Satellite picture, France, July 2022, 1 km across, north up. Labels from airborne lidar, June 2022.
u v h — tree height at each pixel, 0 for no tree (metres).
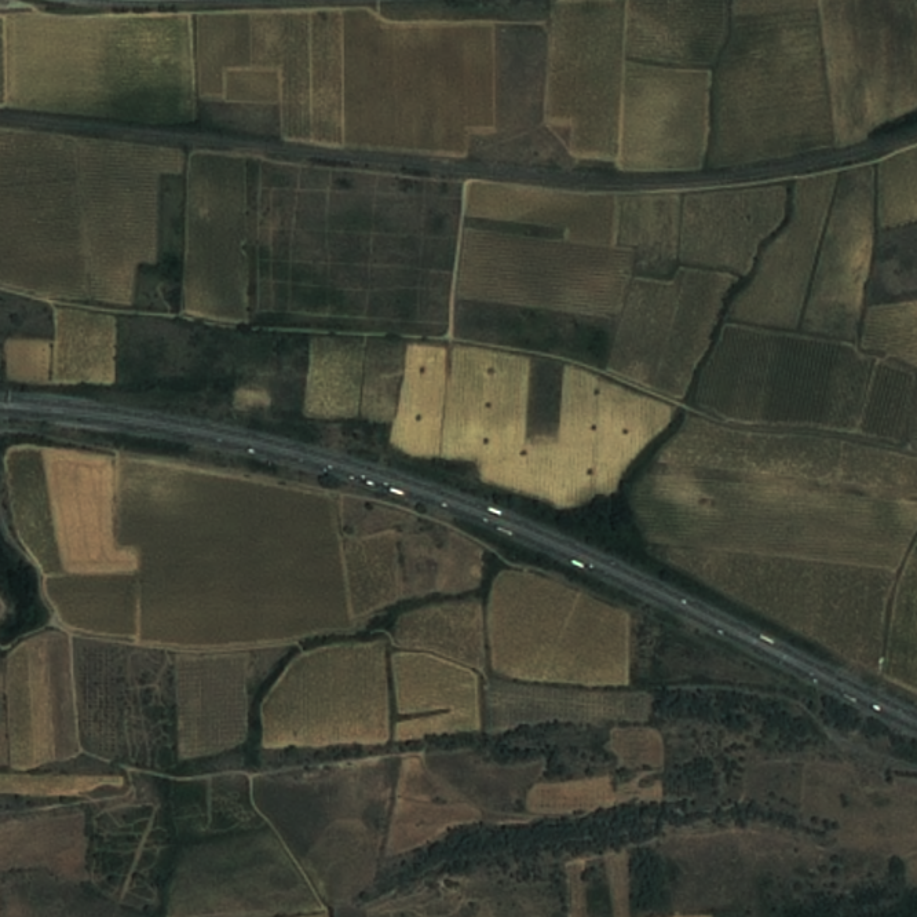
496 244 0
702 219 0
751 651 0
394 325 0
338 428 0
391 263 0
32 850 0
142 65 0
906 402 0
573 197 0
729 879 0
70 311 0
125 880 0
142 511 0
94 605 0
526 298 0
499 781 0
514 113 0
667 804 10
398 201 0
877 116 0
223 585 0
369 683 0
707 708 11
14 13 0
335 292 0
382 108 0
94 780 0
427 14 0
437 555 0
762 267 0
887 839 0
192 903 0
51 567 0
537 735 8
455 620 0
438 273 0
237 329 7
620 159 0
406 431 0
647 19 0
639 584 0
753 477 0
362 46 0
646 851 7
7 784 0
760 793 0
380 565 0
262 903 0
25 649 0
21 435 6
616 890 0
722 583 0
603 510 13
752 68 0
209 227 0
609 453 0
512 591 0
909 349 0
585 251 0
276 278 0
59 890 0
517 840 12
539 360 0
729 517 0
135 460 0
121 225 0
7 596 6
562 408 0
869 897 9
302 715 0
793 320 0
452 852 11
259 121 0
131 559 0
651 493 0
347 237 0
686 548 0
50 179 0
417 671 0
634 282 0
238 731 0
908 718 0
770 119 0
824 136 0
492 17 0
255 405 0
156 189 0
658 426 0
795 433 0
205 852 0
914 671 0
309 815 0
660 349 0
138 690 0
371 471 0
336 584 0
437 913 0
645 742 0
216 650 0
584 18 0
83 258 0
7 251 0
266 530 0
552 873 7
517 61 0
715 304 0
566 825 10
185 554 0
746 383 0
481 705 0
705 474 0
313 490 0
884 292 0
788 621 0
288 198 0
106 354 0
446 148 0
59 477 0
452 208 0
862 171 0
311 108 0
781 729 9
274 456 0
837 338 0
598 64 0
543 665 0
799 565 0
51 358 0
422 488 0
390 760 0
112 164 0
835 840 0
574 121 0
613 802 0
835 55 0
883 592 0
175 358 0
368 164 6
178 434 0
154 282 0
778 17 0
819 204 0
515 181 0
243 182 0
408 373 0
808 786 0
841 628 0
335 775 0
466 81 0
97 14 0
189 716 0
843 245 0
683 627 0
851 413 0
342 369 0
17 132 0
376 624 7
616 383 0
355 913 0
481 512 0
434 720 0
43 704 0
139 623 0
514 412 0
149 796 0
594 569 0
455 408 0
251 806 0
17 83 0
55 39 0
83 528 0
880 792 0
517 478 0
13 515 0
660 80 0
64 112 0
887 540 0
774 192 0
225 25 0
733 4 0
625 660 0
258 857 0
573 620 0
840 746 0
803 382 0
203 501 0
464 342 0
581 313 0
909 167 0
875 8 0
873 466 0
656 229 0
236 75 0
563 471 0
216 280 0
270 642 0
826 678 0
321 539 0
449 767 0
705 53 0
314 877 0
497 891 0
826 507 0
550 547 0
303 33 0
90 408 0
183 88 0
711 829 0
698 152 0
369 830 0
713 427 0
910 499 0
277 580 0
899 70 0
